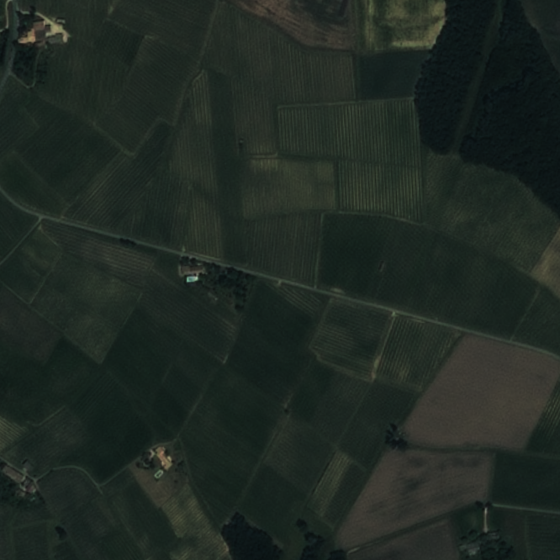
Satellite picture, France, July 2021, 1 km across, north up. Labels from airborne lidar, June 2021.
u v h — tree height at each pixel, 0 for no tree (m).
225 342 0
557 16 0
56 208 0
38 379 0
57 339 0
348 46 0
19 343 0
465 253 0
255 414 0
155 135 0
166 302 0
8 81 0
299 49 0
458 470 0
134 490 0
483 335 0
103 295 0
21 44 12
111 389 0
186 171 0
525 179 12
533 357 0
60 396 0
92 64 0
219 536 0
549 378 0
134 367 0
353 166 0
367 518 0
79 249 0
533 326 0
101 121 0
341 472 0
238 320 0
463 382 0
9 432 0
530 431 0
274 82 0
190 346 0
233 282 9
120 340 0
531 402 0
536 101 27
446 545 0
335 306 0
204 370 0
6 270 0
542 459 0
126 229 0
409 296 0
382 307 0
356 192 0
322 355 0
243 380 0
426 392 0
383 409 0
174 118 0
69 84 0
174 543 0
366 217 0
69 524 0
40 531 0
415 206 0
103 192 0
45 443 0
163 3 0
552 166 22
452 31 20
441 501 0
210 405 0
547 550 0
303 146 0
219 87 0
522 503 0
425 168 0
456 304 0
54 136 0
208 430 0
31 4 0
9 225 0
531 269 0
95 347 0
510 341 0
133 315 0
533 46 18
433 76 17
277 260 0
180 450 0
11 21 0
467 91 17
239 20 0
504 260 0
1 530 0
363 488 0
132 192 0
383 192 0
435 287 0
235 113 0
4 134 0
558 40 0
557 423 0
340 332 0
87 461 0
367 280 0
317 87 0
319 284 0
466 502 0
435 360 0
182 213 0
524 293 0
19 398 0
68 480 0
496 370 0
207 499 0
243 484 0
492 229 0
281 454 0
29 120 0
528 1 0
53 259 0
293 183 0
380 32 0
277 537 0
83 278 0
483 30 18
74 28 0
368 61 0
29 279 0
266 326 0
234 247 0
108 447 0
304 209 0
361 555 0
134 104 0
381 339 0
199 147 0
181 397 0
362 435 0
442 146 14
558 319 0
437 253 0
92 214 0
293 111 0
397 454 0
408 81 0
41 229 0
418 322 0
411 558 0
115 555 0
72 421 0
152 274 0
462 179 0
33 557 0
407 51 0
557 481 0
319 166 0
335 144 0
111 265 0
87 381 0
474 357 0
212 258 0
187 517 0
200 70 0
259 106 0
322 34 0
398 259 0
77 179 0
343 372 0
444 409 0
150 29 0
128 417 0
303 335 0
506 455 0
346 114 0
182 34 0
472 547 0
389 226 0
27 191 0
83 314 0
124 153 0
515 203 0
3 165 0
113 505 0
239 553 20
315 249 0
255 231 0
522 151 11
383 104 0
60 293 0
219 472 0
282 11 0
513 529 0
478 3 23
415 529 0
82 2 0
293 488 0
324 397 0
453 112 18
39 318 0
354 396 0
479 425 0
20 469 0
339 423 0
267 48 0
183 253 0
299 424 0
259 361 0
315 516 0
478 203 0
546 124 19
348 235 0
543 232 0
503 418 0
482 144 22
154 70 0
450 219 0
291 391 0
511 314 0
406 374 0
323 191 0
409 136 0
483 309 0
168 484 0
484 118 19
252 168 0
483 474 0
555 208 18
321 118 0
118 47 0
